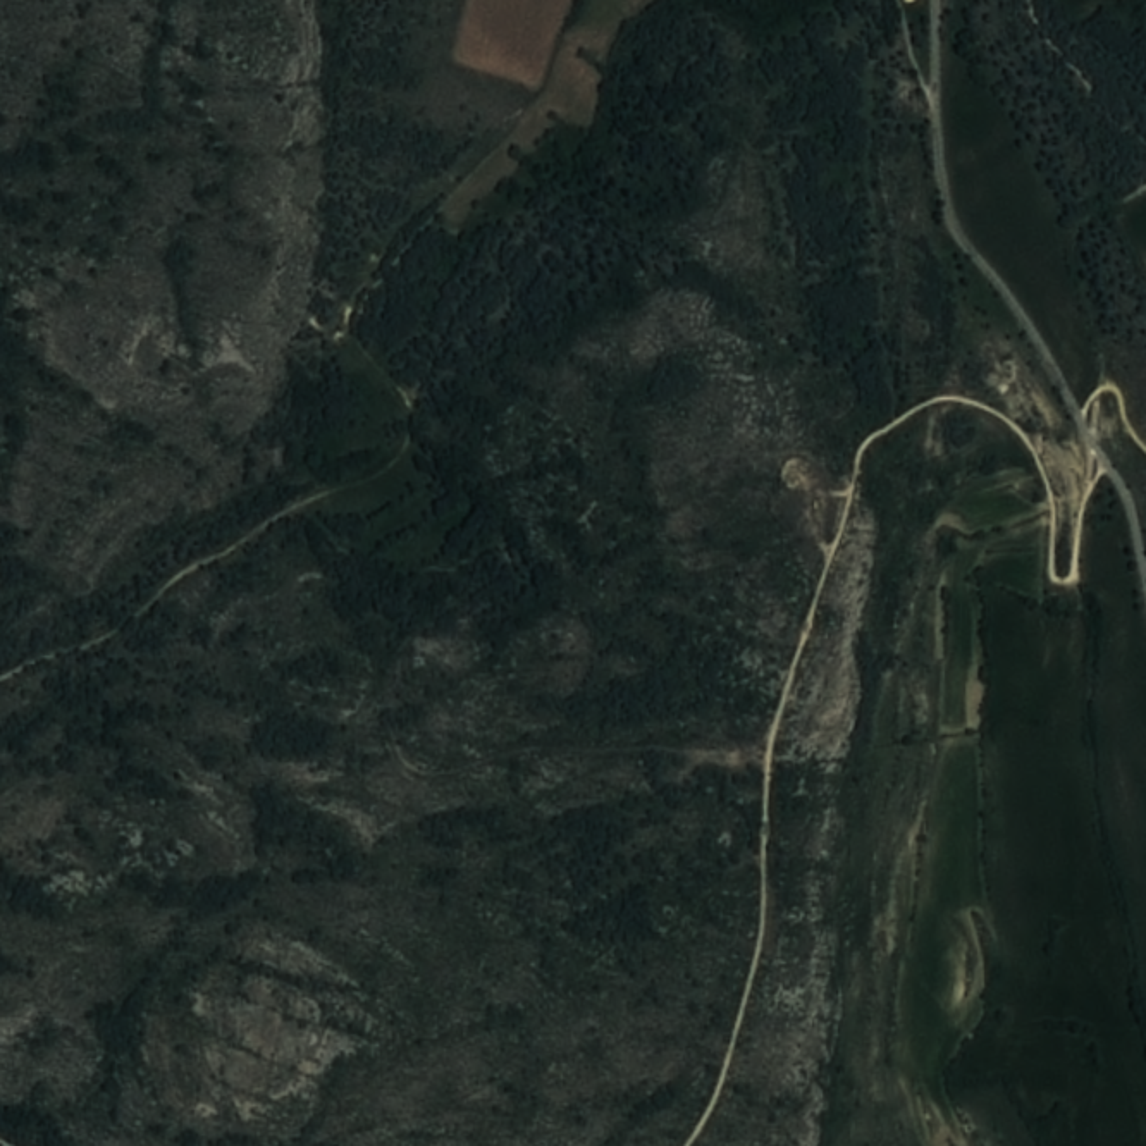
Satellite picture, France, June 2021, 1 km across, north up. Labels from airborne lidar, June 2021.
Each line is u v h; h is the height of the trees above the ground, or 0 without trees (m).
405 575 10
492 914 0
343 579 12
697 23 9
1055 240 0
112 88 0
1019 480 0
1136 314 6
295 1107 0
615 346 0
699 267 9
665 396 9
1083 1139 0
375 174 6
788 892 0
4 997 0
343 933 0
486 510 14
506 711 0
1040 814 0
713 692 6
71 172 0
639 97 13
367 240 7
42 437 0
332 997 0
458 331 10
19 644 7
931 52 0
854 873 0
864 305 12
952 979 0
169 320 0
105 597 8
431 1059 0
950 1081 8
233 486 7
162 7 7
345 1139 0
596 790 0
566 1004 0
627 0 0
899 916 0
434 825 6
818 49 12
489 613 9
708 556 0
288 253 0
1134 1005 10
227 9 0
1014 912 0
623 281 7
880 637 0
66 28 0
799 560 0
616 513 0
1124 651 0
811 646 0
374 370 0
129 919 0
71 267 0
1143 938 0
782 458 0
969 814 0
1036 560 0
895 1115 0
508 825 0
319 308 7
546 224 9
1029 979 0
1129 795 0
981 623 7
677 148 8
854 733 15
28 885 9
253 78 0
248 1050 0
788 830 0
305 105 0
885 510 7
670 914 0
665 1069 0
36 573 10
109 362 0
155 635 8
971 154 0
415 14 7
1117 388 0
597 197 15
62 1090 0
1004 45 11
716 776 5
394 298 11
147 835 6
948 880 0
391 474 0
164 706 6
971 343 0
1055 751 0
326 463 10
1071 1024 6
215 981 0
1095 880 0
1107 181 9
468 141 7
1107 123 9
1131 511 0
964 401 0
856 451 0
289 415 7
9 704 0
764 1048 0
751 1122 0
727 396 0
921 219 0
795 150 9
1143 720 0
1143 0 6
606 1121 0
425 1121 0
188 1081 0
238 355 0
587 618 7
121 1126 0
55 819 0
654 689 10
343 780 0
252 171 0
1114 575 0
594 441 0
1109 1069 0
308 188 0
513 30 0
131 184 8
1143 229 0
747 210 0
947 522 0
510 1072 0
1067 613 10
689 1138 0
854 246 9
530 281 7
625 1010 0
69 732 7
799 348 13
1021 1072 0
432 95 0
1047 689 0
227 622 0
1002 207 0
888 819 0
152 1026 0
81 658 7
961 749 0
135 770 10
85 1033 0
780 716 0
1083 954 0
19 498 0
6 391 9
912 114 0
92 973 0
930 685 0
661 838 0
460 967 0
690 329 0
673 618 8
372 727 0
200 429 0
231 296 0
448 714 0
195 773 0
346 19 10
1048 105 9
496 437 8
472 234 9
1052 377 0
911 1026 0
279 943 0
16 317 7
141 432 6
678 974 0
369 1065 0
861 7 7
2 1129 8
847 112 10
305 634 0
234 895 8
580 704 6
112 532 0
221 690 6
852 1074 0
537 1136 0
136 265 0
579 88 0
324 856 5
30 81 0
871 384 13
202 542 8
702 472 0
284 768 0
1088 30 9
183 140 0
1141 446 0
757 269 0
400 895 0
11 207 6
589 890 7
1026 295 0
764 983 0
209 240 0
